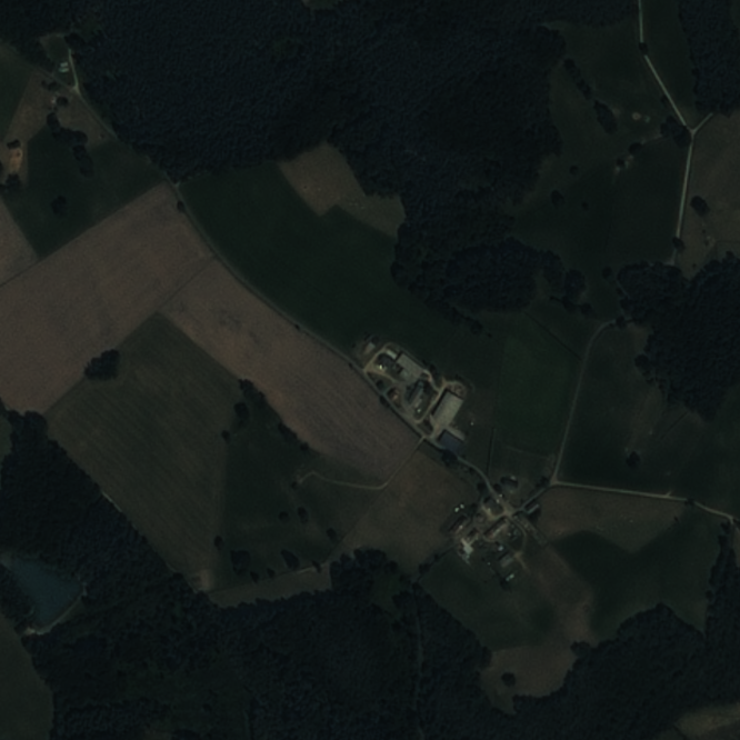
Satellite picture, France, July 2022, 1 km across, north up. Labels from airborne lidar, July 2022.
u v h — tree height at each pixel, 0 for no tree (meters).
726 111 19
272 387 0
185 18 25
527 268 26
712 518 0
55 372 0
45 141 0
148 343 0
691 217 0
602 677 21
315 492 0
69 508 27
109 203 0
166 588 10
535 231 0
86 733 24
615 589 0
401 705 14
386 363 0
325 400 0
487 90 18
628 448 0
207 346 0
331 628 21
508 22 21
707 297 18
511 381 0
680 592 0
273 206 0
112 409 0
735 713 0
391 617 8
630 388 0
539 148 26
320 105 25
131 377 0
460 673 21
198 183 0
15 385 0
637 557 0
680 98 0
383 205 0
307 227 0
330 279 0
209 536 0
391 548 0
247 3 24
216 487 0
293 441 18
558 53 16
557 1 18
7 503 27
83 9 24
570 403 0
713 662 12
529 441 0
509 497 0
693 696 19
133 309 0
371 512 0
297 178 0
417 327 0
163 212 0
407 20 18
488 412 0
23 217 0
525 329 0
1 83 0
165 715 15
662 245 0
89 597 6
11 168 0
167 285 0
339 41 18
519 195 18
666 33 0
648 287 20
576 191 0
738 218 0
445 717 18
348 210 0
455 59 18
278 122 30
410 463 0
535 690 0
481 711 17
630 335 0
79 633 7
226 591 0
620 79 0
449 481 0
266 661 35
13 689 0
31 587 0
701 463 0
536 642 0
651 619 21
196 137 27
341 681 20
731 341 18
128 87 22
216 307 0
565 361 0
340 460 0
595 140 0
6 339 0
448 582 0
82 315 0
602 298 0
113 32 27
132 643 18
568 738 14
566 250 0
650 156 0
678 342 26
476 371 0
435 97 23
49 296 0
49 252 0
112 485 0
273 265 0
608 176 0
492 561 0
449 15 27
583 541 0
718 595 10
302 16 21
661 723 26
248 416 17
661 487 0
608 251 0
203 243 0
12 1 20
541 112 23
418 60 19
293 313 0
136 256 0
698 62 18
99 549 26
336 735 33
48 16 20
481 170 22
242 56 26
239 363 0
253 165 10
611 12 18
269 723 25
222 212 0
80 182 0
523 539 0
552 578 0
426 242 12
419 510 0
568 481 0
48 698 0
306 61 25
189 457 0
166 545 0
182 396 0
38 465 23
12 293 0
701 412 20
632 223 0
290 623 26
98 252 0
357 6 18
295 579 0
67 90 0
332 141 16
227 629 29
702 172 0
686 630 24
